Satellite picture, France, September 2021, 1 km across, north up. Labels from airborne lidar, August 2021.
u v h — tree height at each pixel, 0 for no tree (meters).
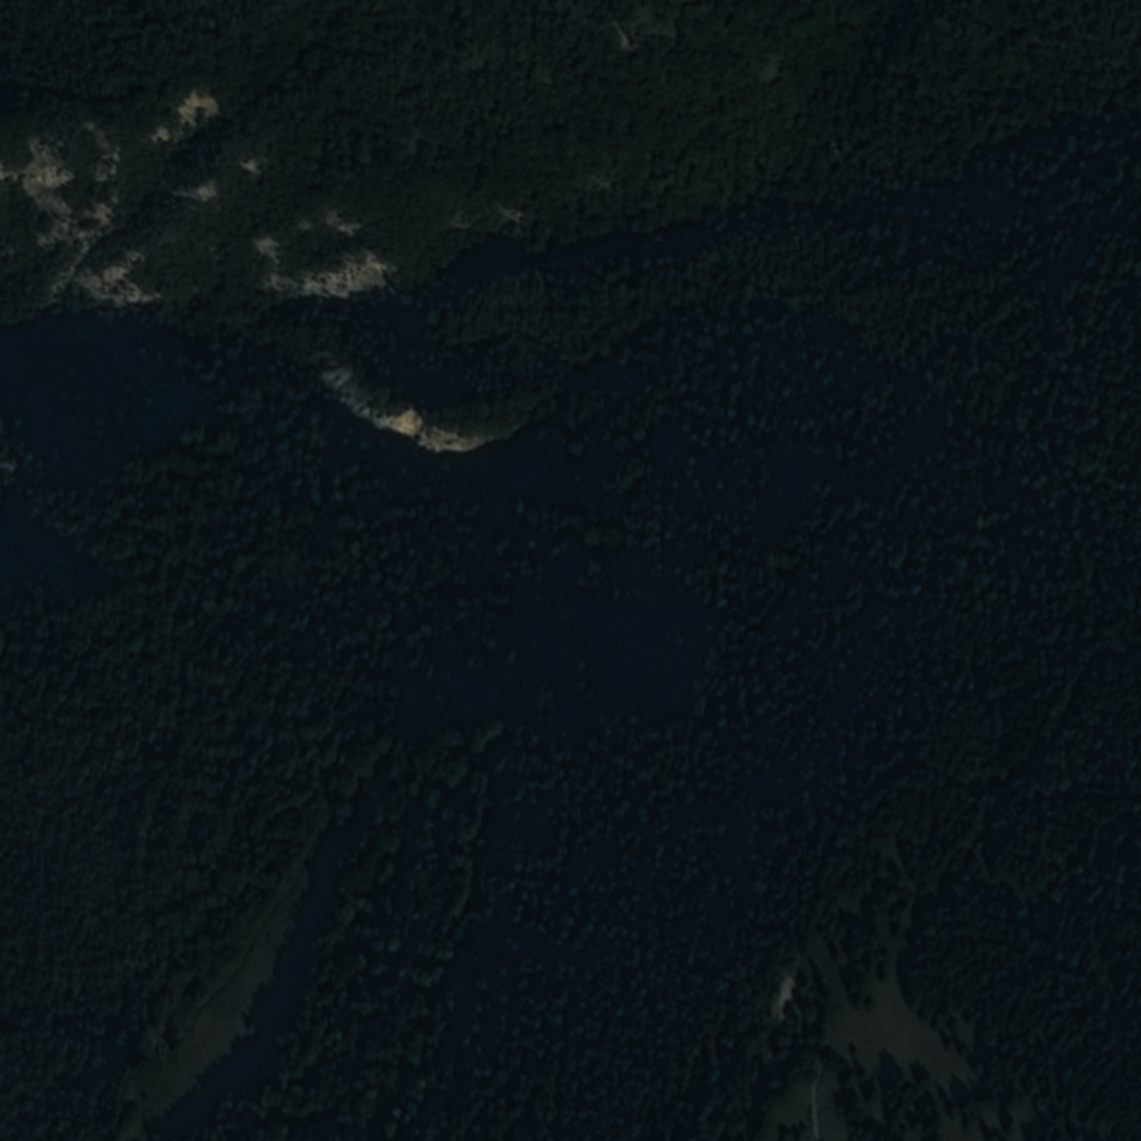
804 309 30
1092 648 11
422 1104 11
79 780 19
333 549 30
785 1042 10
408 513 25
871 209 29
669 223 14
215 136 17
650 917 26
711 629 14
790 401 29
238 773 22
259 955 0
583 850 22
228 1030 0
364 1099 34
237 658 17
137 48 21
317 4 12
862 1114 10
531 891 14
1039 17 14
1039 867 29
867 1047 0
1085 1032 22
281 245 13
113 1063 23
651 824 16
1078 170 19
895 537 30
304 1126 29
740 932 23
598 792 28
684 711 31
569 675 7
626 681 12
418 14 20
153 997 26
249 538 22
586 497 17
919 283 24
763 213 32
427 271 23
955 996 23
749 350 31
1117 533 17
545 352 16
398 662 18
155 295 9
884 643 31
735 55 10
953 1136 0
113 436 19
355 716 19
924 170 27
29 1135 16
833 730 31
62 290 8
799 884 27
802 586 18
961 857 21
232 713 18
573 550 25
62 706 24
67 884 13
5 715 21
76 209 10
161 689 20
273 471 19
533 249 26
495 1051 20
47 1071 19
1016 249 26
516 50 14
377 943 27
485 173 29
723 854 14
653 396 33
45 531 12
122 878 14
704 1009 20
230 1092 19
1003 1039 20
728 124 9
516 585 12
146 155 17
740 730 31
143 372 9
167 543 16
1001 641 25
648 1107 16
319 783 7
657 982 30
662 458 19
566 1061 29
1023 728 28
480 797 20
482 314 22
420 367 24
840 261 24
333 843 0
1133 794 23
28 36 21
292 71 23
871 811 26
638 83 10
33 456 12
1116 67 27
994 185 32
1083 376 27
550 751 29
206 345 31
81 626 21
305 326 18
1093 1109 16
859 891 25
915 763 30
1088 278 19
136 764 19
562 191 18
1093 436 14
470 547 22
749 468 21
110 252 12
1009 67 15
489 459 17
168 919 22
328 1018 30
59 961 19
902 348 30
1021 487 21
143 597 15
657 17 9
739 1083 29
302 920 0
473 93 13
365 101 17
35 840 14
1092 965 24
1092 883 30
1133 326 29
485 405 13
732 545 21
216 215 11
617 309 17
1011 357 17
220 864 18
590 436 25
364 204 16
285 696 17
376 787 0
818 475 15
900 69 27
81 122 11
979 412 30
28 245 11
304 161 23
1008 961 26
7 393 16
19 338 20
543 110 10
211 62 10
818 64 20
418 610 23
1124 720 23
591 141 19
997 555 27
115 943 20
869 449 17
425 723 25
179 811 18
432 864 27
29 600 22
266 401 16
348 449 29
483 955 8
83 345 25
